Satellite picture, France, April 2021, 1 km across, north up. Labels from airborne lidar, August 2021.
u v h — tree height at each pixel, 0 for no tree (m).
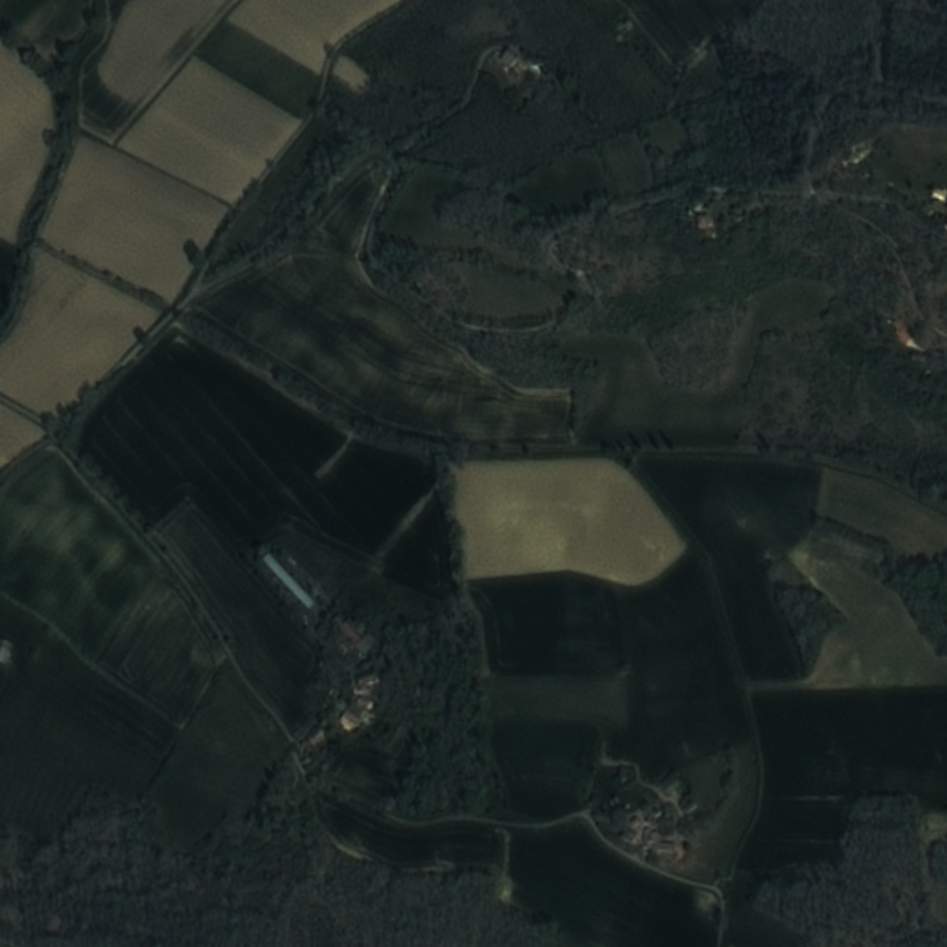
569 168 0
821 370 8
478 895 8
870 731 0
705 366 23
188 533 0
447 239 0
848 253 12
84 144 0
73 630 0
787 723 0
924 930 7
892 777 0
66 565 0
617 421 0
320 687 9
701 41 0
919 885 13
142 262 0
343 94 12
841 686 0
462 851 0
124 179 0
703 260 8
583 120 14
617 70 13
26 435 0
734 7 0
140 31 0
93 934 9
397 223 0
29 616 0
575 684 0
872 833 18
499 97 9
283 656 0
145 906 10
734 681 0
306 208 7
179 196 0
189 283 0
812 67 18
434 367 0
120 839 6
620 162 0
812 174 10
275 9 0
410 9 14
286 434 0
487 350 20
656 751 0
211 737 0
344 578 0
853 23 17
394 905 15
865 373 8
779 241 19
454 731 25
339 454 0
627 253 7
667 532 0
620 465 0
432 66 12
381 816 8
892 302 21
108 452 0
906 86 15
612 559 0
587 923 0
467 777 26
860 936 14
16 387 0
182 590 0
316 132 0
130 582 0
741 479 0
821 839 0
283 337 0
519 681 0
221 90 0
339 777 0
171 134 0
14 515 0
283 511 0
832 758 0
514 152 14
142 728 0
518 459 0
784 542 0
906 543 0
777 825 0
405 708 15
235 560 0
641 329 14
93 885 5
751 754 0
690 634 0
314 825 12
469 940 16
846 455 16
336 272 0
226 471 0
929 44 19
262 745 0
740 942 0
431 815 11
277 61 0
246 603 0
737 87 22
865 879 18
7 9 0
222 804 0
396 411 0
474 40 0
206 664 0
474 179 17
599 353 0
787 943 0
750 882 0
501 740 0
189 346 0
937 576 30
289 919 12
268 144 0
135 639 0
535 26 11
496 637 0
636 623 0
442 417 0
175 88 0
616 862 0
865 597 0
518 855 0
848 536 8
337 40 0
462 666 32
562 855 0
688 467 0
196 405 0
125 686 0
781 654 0
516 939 20
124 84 0
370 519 0
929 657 0
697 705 0
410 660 19
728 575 0
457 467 26
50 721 0
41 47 0
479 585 0
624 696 0
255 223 0
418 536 0
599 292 15
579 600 0
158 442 0
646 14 0
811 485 0
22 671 0
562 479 0
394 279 23
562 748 0
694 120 14
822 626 16
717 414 0
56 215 0
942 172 0
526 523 0
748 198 6
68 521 0
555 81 10
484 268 14
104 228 0
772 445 7
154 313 0
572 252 13
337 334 0
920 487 11
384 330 0
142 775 0
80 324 0
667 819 10
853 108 8
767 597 0
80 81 0
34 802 0
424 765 21
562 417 0
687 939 0
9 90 0
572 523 0
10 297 21
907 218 17
